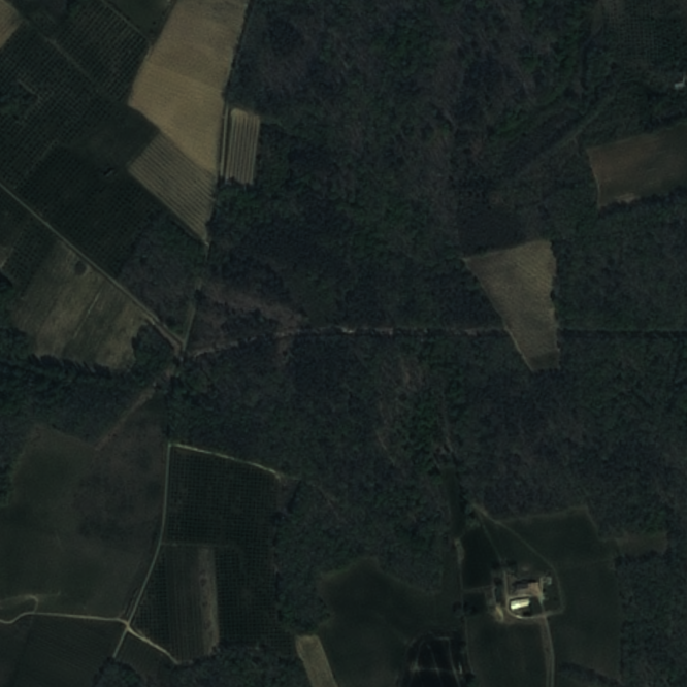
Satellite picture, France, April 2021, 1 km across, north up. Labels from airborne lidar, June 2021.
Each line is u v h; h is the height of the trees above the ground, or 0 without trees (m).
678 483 19
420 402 16
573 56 23
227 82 0
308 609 19
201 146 0
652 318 21
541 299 0
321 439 17
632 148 0
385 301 15
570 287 19
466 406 13
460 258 17
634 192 0
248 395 23
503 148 13
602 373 19
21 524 0
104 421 22
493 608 0
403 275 16
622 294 11
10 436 20
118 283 11
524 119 13
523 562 0
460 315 18
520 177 14
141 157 0
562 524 0
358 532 18
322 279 16
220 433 21
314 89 20
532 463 16
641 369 12
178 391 23
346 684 0
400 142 19
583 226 17
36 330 0
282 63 17
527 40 17
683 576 15
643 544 0
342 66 16
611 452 19
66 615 0
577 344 21
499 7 19
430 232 19
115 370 0
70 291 0
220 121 0
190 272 21
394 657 0
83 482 0
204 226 0
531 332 0
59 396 16
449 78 11
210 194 0
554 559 0
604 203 0
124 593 0
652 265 17
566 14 26
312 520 16
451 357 16
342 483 14
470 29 19
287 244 22
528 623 0
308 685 10
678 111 13
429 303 15
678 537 23
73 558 0
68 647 0
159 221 14
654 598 19
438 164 16
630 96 8
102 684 17
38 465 0
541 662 0
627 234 16
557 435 17
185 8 0
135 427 0
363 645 0
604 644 0
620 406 22
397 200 19
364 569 0
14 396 27
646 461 22
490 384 16
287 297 20
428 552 15
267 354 23
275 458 19
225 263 8
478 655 0
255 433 21
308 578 7
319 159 22
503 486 19
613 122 10
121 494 0
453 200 11
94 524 0
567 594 0
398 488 13
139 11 0
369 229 19
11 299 19
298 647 0
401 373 17
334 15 18
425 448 16
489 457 20
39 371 12
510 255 0
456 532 0
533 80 18
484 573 0
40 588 0
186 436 18
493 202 7
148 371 10
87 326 0
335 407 13
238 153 0
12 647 0
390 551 16
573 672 16
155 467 0
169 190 0
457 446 20
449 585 0
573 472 17
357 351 18
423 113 14
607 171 0
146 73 0
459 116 21
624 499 11
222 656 19
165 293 16
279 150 12
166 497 0
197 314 17
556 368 0
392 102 18
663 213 22
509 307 0
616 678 0
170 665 6
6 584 0
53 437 0
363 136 13
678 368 10
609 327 21
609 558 0
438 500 23
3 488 13
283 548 17
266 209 18
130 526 0
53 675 0
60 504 0
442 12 15
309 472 17
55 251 0
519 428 15
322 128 16
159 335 18
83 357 0
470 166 10
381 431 16
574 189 19
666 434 19
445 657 0
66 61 5
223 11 0
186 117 0
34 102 11
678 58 6
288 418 20
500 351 19
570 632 0
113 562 0
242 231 22
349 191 15
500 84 27
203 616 0
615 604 0
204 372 22
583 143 9
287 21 20
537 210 9
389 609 0
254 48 13
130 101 0
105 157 0
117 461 0
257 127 0
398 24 19
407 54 18
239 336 22
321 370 25
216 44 0
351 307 13
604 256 22
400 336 19
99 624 0
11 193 0
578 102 25
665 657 18
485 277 0
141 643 0
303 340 12
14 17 0
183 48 0
